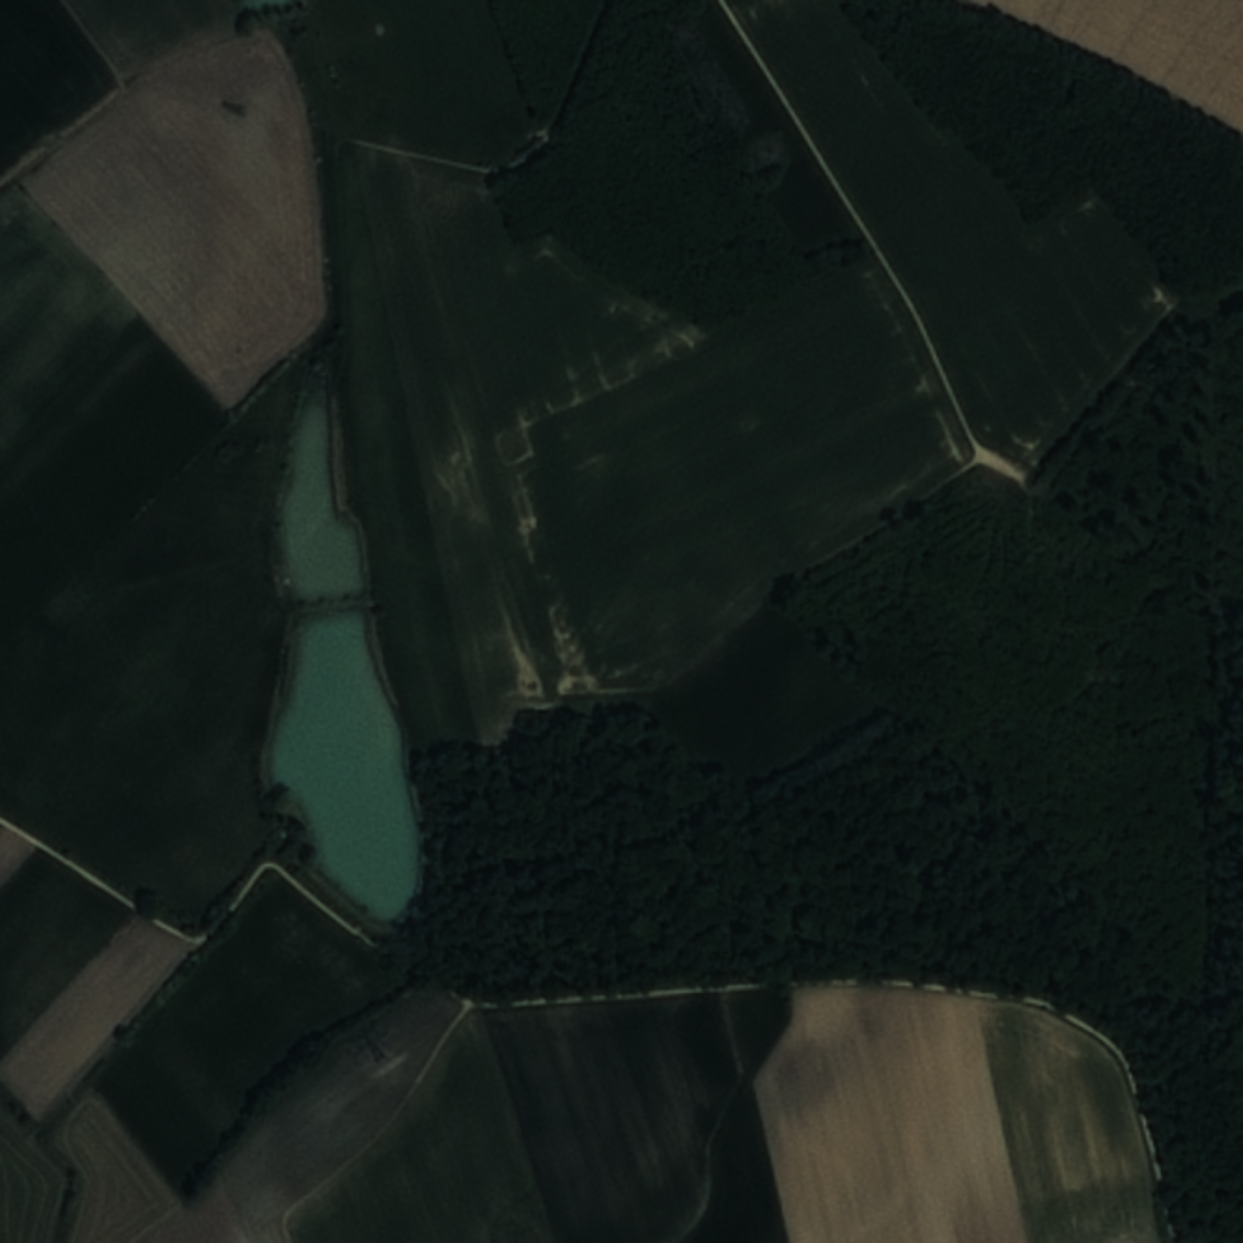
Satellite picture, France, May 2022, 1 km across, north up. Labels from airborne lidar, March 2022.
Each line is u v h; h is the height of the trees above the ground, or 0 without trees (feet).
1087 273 0
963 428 0
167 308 0
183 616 0
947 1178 0
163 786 0
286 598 0
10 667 0
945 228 0
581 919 78
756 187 34
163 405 0
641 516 0
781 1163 0
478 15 0
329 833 0
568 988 57
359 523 0
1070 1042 0
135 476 0
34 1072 0
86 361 0
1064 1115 0
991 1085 0
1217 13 0
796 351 0
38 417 0
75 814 0
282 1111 0
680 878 86
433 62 0
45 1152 0
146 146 0
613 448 0
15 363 0
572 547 0
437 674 0
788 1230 0
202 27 0
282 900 0
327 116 0
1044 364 0
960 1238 0
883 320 0
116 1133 0
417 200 0
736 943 70
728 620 0
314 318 0
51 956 0
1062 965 75
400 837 0
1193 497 79
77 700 0
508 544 0
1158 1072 62
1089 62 58
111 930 0
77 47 0
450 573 0
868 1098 0
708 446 0
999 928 80
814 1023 0
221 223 0
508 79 0
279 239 0
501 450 0
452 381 0
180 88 0
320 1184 0
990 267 0
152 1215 0
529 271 0
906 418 0
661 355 0
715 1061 0
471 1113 0
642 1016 0
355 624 0
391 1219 0
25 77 0
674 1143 0
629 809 79
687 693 0
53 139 0
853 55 0
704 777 63
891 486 0
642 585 0
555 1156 0
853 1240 0
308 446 0
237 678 0
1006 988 63
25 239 0
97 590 0
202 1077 0
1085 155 68
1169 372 82
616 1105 0
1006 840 85
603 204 52
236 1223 0
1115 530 96
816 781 74
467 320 0
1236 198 67
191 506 0
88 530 0
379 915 0
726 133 59
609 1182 0
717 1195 0
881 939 83
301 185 0
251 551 0
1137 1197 0
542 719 39
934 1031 0
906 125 0
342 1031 25
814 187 0
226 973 0
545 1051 0
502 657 0
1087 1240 0
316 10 0
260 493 0
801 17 0
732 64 0
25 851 0
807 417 0
